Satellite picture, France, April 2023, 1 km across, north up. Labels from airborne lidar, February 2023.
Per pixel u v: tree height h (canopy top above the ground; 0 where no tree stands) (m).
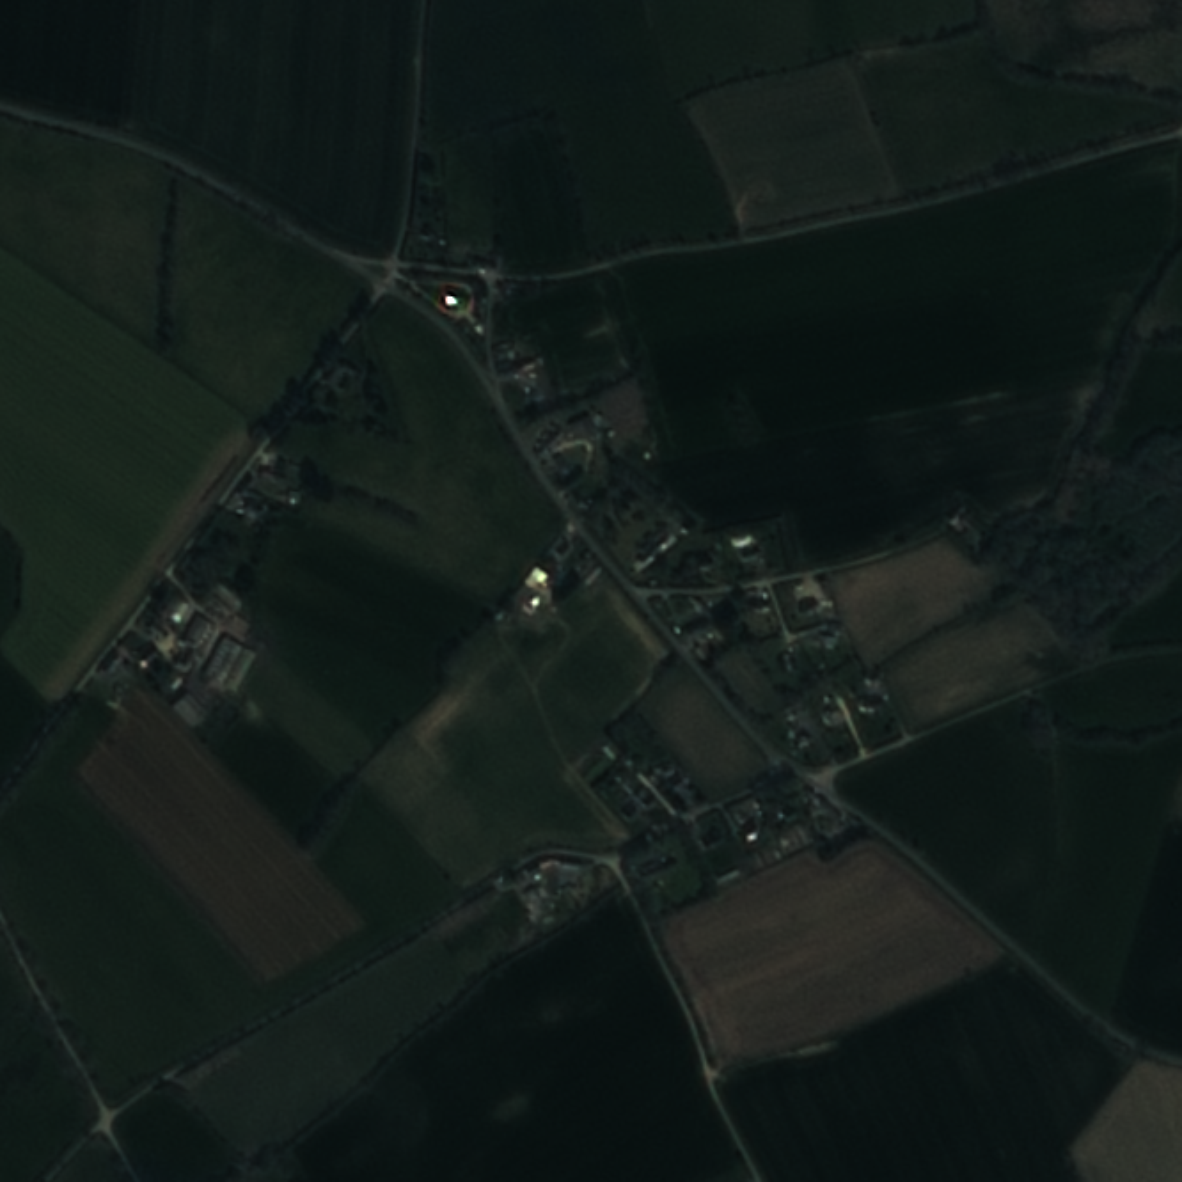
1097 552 10
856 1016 0
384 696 0
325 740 0
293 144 0
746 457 0
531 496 0
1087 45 0
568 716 0
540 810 0
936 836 0
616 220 0
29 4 0
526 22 0
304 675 0
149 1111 0
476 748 0
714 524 0
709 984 0
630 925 0
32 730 0
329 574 0
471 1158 0
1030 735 15
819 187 0
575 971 0
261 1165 10
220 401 0
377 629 0
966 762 0
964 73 0
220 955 0
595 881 8
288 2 0
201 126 0
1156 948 0
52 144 0
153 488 0
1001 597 10
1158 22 0
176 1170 0
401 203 0
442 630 0
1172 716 0
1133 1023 0
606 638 0
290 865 0
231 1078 0
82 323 0
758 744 0
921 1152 0
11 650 0
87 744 0
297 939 0
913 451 0
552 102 0
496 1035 0
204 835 0
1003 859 0
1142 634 0
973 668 0
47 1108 0
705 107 0
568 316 0
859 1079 0
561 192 0
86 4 0
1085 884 0
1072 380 0
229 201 9
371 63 0
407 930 0
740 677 0
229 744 0
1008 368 0
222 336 0
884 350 0
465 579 0
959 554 0
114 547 0
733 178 0
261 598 0
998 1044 0
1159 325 0
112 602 0
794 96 0
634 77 0
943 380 0
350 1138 0
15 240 0
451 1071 0
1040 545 20
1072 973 0
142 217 0
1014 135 0
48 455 0
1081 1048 0
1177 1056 0
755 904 0
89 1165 0
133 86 0
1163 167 0
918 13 0
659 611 0
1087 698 0
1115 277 0
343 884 0
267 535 8
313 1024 0
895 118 0
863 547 0
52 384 0
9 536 7
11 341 0
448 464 0
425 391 0
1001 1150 0
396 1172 0
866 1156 0
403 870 0
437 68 0
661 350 0
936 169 0
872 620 0
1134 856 0
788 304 0
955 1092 0
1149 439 6
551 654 0
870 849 0
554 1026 0
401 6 0
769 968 0
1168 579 8
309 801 0
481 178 0
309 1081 0
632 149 0
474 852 0
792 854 0
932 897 0
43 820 0
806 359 0
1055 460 0
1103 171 0
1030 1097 0
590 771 0
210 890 0
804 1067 0
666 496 11
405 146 0
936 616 0
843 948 0
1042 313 0
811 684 12
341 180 0
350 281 0
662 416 0
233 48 0
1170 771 0
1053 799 0
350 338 0
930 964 0
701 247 0
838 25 0
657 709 0
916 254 0
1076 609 21
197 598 9
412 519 8
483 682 0
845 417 0
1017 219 0
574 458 0
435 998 0
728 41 0
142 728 0
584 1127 0
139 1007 0
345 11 0
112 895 0
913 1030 0
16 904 0
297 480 0
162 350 10
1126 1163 0
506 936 0
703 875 13
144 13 0
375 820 0
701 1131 0
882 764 0
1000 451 0
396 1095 0
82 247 0
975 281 0
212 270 0
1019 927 0
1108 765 0
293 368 0
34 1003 7
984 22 12
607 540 9
